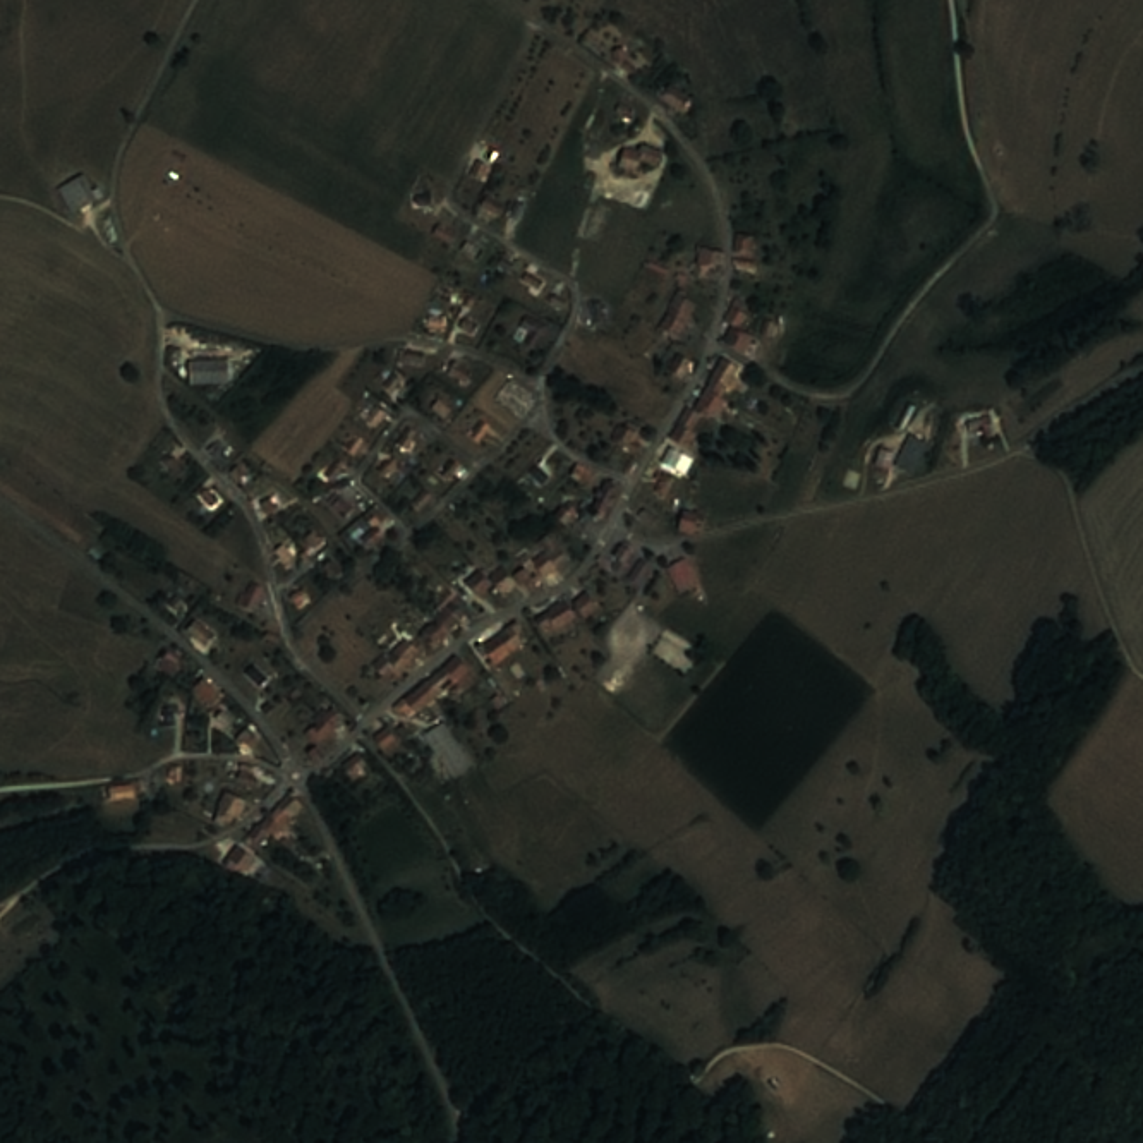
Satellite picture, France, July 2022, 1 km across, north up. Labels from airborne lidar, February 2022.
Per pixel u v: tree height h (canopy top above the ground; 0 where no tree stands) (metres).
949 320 0
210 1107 0
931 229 0
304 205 0
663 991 0
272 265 0
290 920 13
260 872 0
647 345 0
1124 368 7
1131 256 0
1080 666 22
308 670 0
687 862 0
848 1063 0
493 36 0
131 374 12
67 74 0
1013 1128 17
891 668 0
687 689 0
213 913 24
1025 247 0
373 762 7
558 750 0
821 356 0
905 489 0
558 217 0
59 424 0
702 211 0
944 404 0
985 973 0
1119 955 7
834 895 0
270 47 0
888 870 0
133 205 0
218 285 0
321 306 0
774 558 0
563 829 0
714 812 0
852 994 0
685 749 0
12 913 0
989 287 0
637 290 0
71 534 0
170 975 25
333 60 0
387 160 0
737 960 0
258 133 0
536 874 0
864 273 0
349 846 14
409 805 7
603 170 0
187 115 0
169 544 0
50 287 0
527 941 7
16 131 0
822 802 0
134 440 0
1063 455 16
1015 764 20
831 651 0
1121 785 0
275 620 0
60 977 23
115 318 0
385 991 21
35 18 0
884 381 0
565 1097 21
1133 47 0
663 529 0
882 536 0
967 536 0
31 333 0
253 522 0
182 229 0
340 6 0
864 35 0
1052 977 16
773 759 0
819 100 0
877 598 0
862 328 0
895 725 0
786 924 0
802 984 0
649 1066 25
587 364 0
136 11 0
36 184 0
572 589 0
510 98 0
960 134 0
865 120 0
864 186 0
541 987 16
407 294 0
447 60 0
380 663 0
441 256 0
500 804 0
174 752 0
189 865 20
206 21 0
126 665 0
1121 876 0
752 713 0
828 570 0
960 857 25
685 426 0
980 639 0
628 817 0
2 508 0
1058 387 0
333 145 0
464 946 17
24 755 0
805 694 0
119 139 0
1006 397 0
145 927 24
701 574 0
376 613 0
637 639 0
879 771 0
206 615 6
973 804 11
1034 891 20
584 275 0
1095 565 0
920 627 13
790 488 0
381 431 0
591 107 0
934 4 0
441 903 0
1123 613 0
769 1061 0
